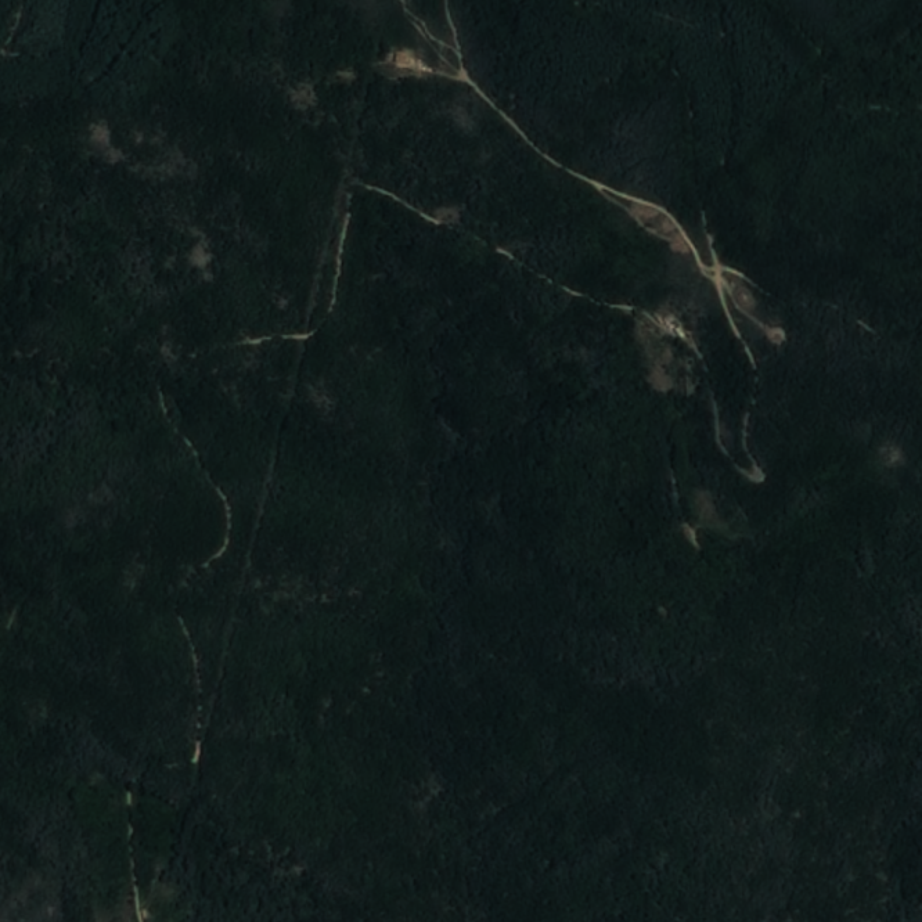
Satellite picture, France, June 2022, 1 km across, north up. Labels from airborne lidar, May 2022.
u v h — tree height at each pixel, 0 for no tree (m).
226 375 9
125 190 17
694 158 13
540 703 16
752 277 8
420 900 10
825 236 15
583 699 13
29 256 20
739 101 17
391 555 12
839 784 13
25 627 12
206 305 11
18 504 15
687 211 7
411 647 9
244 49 9
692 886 12
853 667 11
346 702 15
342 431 12
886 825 8
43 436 23
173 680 11
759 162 13
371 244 19
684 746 11
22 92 15
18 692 11
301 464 16
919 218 15
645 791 14
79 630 18
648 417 13
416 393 16
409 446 8
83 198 13
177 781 18
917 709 14
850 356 15
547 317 12
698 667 16
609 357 19
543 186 11
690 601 13
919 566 12
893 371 13
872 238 15
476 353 21
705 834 13
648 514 9
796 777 13
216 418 18
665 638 11
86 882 14
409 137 11
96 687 13
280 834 16
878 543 6
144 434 10
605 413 14
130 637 8
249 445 17
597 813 13
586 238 12
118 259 24
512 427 12
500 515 6
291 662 14
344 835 12
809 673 12
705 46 19
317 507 14
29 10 7
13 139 14
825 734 15
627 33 13
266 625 11
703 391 15
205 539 8
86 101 14
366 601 14
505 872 13
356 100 15
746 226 15
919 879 13
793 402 8
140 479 10
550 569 13
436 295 7
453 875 13
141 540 6
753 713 11
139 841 17
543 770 13
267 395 17
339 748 12
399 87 10
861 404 10
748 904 10
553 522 18
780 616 13
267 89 13
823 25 14
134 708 9
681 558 13
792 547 8
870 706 19
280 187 15
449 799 13
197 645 10
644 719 12
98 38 30
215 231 8
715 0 18
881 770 9
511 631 9
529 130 6
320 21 14
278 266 13
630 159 12
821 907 10
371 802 13
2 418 19
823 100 11
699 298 0
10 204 17
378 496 9
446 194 12
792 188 15
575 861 22
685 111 10
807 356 13
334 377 8
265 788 14
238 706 9
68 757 16
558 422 20
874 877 8
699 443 8
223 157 11
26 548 16
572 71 18
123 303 12
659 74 10
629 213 0
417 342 17
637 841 15
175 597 15
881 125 14
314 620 11
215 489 13
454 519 8
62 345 13
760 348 5
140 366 13
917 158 17
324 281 9
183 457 14
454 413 18
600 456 19
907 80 12
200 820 20
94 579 15
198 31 15
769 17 16
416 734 12
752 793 15
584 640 13
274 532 12
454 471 19
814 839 11
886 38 18
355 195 10
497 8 24
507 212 10
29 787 18
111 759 16
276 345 13
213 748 13
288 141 10
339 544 9
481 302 14
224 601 11
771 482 11
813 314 10
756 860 8
